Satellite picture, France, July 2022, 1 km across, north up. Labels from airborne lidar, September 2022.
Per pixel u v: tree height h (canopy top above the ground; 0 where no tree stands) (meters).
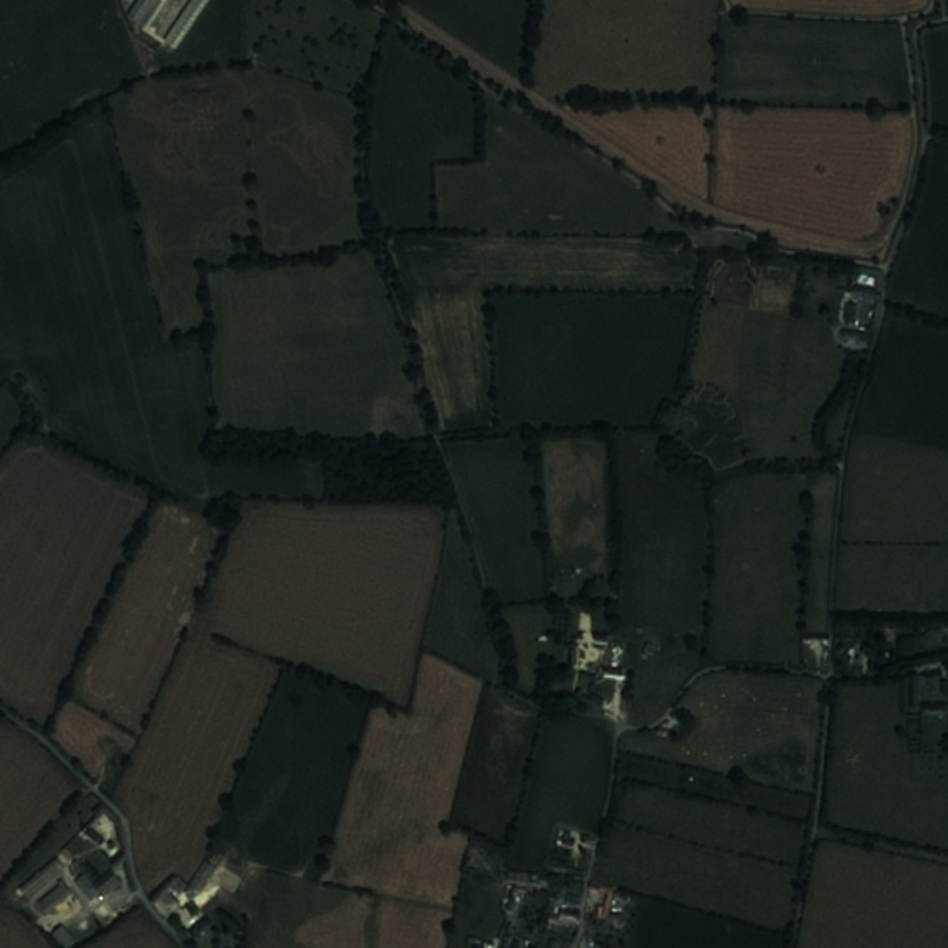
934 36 0
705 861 0
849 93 0
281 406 0
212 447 15
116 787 0
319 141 0
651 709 0
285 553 0
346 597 0
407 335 13
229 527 16
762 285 0
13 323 0
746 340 0
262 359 0
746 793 0
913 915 0
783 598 0
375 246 15
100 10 0
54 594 0
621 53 0
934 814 0
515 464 0
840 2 0
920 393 0
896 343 0
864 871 0
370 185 7
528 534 0
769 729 0
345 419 0
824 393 0
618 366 0
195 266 10
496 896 0
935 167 0
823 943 0
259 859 0
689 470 7
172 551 0
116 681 0
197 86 0
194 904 10
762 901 0
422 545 0
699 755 0
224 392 0
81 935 0
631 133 0
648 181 14
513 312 0
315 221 0
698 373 0
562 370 0
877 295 0
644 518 0
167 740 0
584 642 0
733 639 0
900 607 0
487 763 0
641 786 6
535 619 0
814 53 0
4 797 0
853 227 0
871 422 0
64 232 0
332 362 0
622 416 0
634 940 0
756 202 0
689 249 9
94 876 6
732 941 0
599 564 0
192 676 0
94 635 13
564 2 0
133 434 0
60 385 0
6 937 0
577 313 0
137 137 0
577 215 0
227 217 0
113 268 0
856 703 0
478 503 0
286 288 0
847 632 0
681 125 0
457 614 0
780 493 0
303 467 0
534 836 0
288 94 0
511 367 0
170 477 0
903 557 0
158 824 0
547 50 0
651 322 0
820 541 0
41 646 0
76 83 0
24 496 0
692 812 0
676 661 0
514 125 0
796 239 0
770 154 0
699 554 0
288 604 0
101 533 0
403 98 0
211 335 9
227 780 0
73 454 14
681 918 0
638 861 0
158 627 0
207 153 0
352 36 7
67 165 0
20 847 0
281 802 0
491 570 0
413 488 8
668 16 0
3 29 0
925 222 0
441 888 0
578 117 0
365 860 0
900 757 0
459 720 0
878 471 0
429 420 11
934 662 8
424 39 11
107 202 0
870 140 0
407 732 0
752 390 0
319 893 0
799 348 0
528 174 0
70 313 0
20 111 0
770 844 0
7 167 15
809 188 0
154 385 0
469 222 0
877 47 0
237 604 0
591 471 0
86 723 0
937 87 0
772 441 0
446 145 0
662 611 0
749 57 0
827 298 0
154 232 0
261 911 0
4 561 0
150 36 0
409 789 0
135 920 0
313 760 0
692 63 0
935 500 0
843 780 0
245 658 0
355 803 0
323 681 15
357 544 0
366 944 0
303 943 0
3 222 0
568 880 8
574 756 0
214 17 0
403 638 0
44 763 0
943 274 0
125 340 0
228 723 0
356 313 0
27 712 0
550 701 17
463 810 0
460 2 0
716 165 11
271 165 0
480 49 0
